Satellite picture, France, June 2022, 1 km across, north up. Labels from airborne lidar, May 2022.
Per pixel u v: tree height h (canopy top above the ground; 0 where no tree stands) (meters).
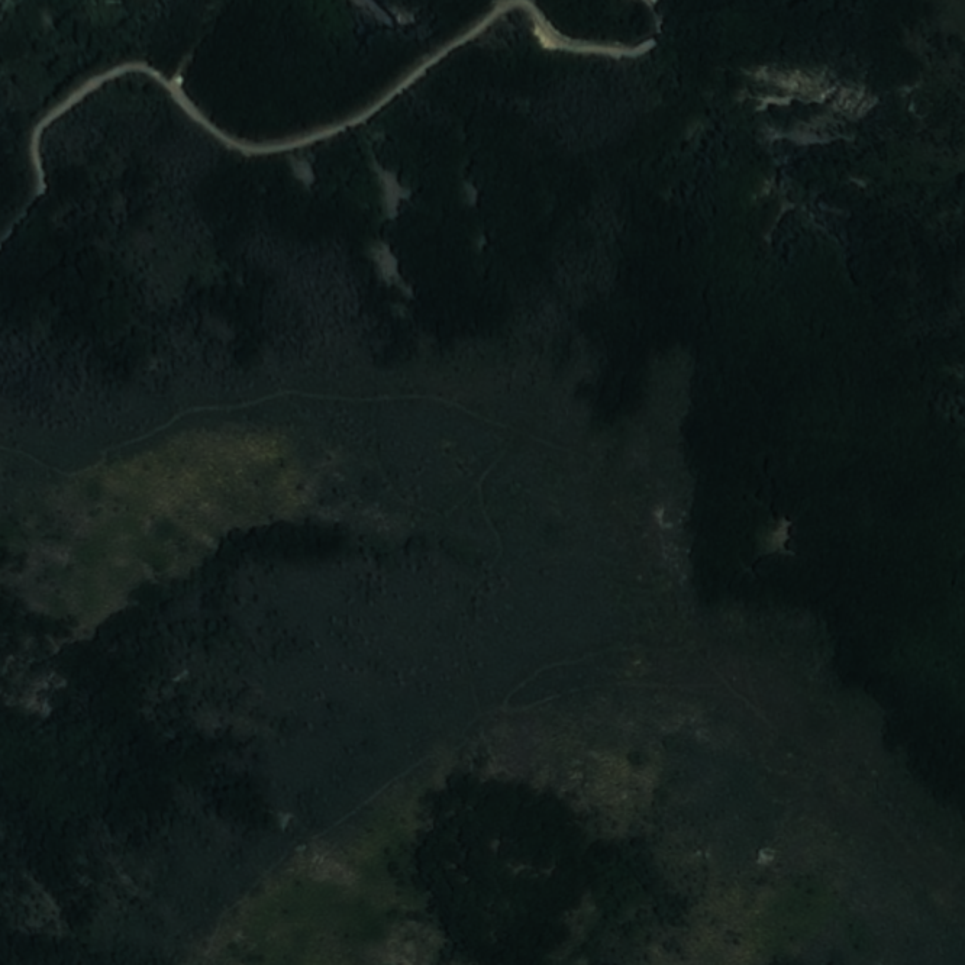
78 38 13
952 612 20
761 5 17
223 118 17
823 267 16
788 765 0
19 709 10
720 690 0
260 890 0
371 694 0
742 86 6
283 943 0
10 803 9
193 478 0
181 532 0
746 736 0
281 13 18
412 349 7
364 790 0
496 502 0
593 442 0
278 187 14
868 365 23
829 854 0
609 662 0
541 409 0
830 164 17
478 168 16
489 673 0
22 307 16
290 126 12
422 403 0
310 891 0
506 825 14
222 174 11
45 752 17
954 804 10
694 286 12
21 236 20
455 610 0
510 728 0
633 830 8
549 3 17
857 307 22
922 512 24
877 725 0
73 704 13
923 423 23
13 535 0
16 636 9
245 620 0
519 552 0
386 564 9
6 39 21
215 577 11
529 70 14
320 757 0
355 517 0
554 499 0
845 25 17
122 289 10
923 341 9
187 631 8
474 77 12
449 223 16
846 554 20
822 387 18
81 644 12
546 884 14
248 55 22
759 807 0
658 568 0
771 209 20
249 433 0
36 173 0
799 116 11
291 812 0
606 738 0
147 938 0
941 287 7
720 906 0
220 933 0
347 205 17
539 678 0
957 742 18
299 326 7
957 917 0
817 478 16
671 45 21
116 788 10
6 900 8
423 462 7
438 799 7
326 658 0
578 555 0
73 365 7
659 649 0
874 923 0
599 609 0
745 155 17
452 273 16
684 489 0
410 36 19
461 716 0
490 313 15
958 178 6
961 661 16
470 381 0
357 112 15
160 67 12
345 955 0
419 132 13
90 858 7
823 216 7
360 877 0
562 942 7
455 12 11
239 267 8
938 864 0
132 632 9
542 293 8
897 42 13
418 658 0
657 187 13
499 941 8
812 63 9
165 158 8
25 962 15
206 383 7
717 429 14
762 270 12
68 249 14
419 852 16
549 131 12
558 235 12
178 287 0
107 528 0
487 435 0
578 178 11
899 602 21
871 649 20
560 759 0
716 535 17
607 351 7
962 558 19
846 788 0
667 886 6
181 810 7
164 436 0
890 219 8
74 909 10
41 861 13
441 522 0
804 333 18
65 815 6
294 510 0
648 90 11
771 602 11
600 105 12
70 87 12
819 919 0
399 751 0
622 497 0
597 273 10
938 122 9
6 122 7
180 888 0
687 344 14
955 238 10
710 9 21
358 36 17
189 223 8
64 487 0
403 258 17
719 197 17
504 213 17
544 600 0
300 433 0
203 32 6
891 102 13
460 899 17
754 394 19
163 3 10
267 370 0
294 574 0
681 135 11
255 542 22
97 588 0
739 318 15
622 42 13
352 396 0
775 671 0
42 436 0
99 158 11
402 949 0
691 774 0
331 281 12
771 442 19
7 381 11
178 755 19
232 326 9
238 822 10
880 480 21
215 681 6
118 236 6
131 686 18
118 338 17
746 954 0
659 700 0
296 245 11
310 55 20
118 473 0
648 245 14
